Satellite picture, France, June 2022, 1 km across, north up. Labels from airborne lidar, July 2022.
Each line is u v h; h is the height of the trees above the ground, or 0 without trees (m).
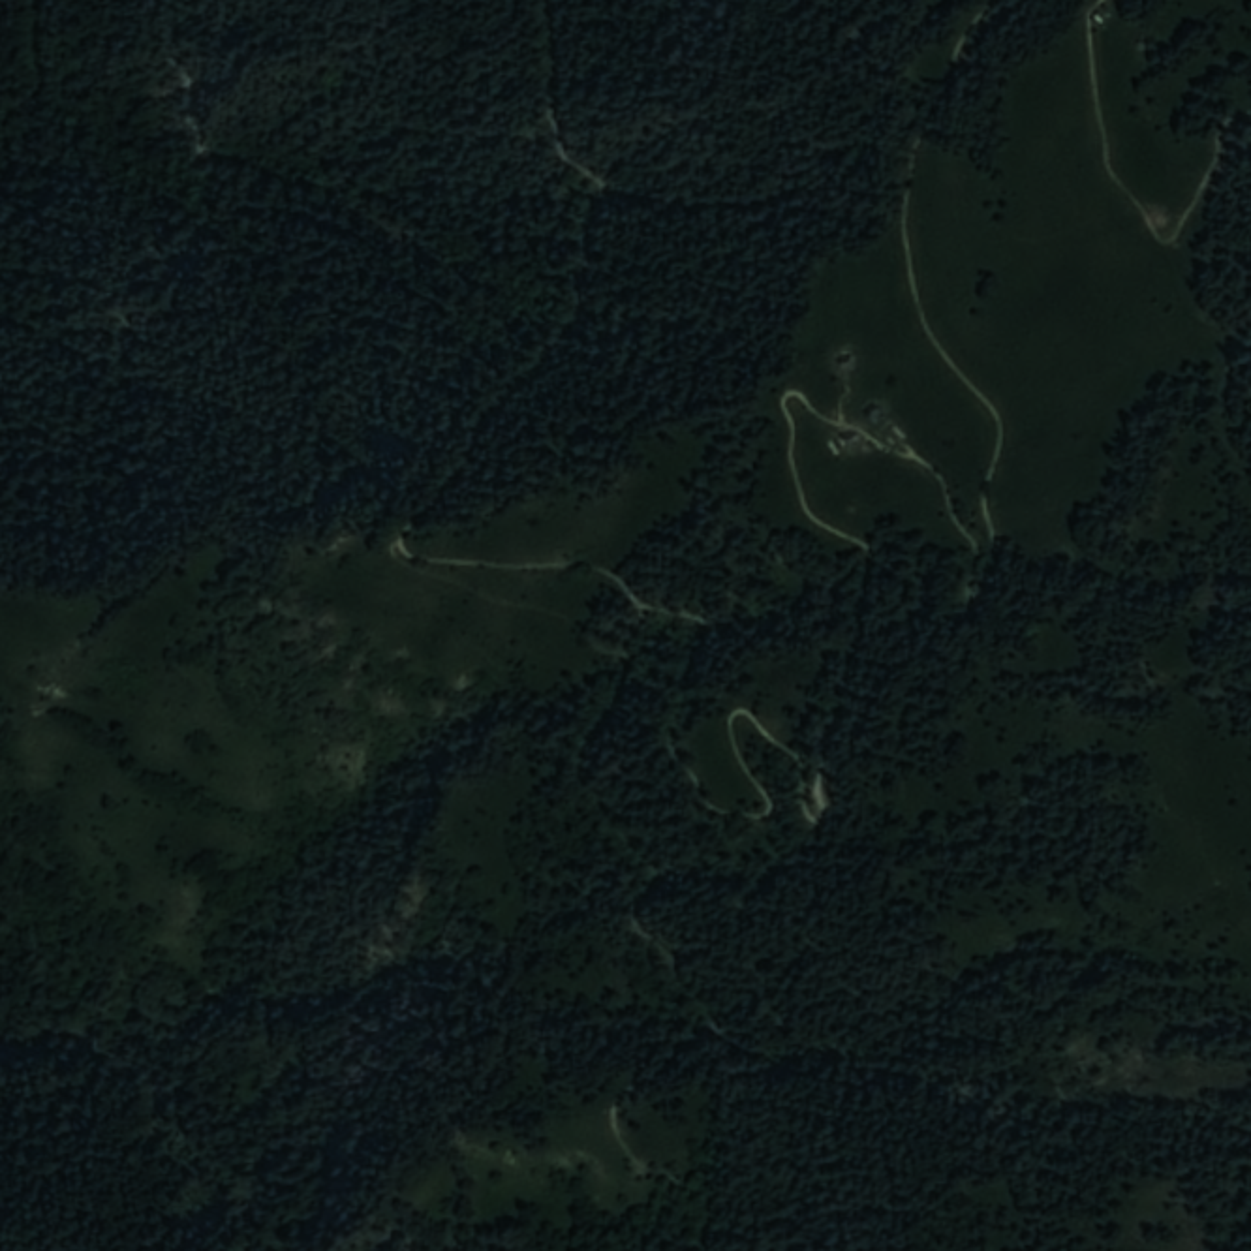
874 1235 16
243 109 21
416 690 8
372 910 16
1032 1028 21
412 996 12
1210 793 0
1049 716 7
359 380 23
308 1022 27
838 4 10
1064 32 17
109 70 22
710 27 22
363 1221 20
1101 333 0
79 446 22
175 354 20
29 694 0
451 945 15
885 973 17
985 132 20
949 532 0
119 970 28
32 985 19
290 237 30
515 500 20
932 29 24
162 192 19
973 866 12
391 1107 31
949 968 11
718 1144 15
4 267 26
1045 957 25
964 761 16
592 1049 27
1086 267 0
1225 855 0
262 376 25
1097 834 27
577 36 19
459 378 17
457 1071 24
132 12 18
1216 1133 21
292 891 24
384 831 21
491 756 23
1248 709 17
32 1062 33
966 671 19
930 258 0
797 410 0
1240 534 13
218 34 16
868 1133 22
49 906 17
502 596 0
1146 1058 13
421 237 7
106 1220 24
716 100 21
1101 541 13
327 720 14
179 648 9
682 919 20
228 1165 22
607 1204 0
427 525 24
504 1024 27
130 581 22
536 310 12
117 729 17
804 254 25
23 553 34
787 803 19
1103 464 0
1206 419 6
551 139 6
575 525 0
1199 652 12
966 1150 30
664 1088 21
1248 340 26
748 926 20
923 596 10
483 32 29
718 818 14
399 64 23
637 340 23
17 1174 26
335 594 0
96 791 0
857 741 24
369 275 24
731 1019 20
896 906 12
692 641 8
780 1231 27
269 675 15
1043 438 0
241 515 16
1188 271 0
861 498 0
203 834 0
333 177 32
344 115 15
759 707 9
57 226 20
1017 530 0
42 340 6
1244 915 0
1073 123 0
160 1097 9
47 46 18
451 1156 12
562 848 7
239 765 0
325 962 20
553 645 0
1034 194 0
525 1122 11
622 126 19
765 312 18
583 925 26
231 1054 16
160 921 6
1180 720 0
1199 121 20
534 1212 10
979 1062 23
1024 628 18
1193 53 20
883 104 23
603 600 10
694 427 25
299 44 25
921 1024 22
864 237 21
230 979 18
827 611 24
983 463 0
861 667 23
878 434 0
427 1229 18
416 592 0
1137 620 20
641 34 25
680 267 18
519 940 9
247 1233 21
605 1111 0
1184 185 0
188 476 30
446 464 25
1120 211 0
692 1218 18
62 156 19
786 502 0
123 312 13
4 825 13
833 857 30
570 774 26
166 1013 28
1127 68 0
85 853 0
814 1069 6
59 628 0
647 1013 17
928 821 18
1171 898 0
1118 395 0
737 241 34
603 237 19
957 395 0
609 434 11
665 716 21
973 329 0
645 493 0
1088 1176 18
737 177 28
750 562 27
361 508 27
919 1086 28
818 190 26
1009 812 22
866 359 0
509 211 25
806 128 18
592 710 15
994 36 27
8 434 16
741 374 12
